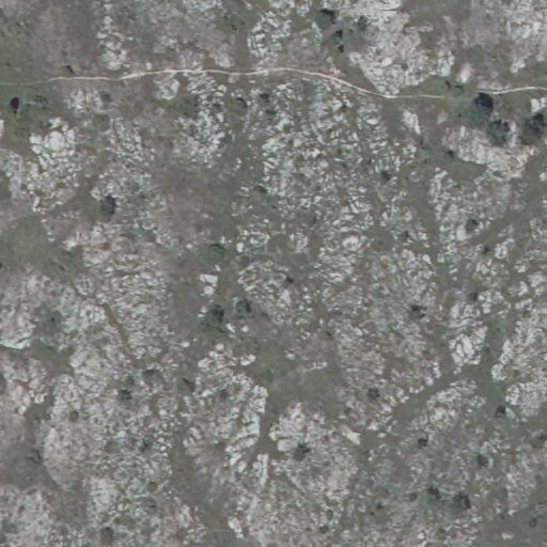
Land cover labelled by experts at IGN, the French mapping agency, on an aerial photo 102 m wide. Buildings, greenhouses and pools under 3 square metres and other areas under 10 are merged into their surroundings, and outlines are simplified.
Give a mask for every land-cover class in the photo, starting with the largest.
<instances>
[{"label":"bare soil","instance_id":"1","mask_svg":"<svg viewBox=\"0 0 547 547\"><path fill-rule=\"evenodd\" d=\"M0 9H4L6 15L24 17V26L19 28L26 30V36H32V58H47L53 64L49 81L62 83L64 105L75 109V118L79 122L71 130L64 120L53 118L51 135H32L30 143L38 156L34 162L24 160L19 154L6 147H0V233L4 229H15L19 218H26L34 212L47 233V241H56L60 246L66 244V248L81 246L83 263L90 267L88 276L75 278V286H66L47 276H36L32 265L26 267V274H13L9 286L0 282V344L11 348H26L34 342H41L58 350H64L66 346L75 348V355L71 359L75 374L58 378L49 376L38 359H32L30 365L24 370H15L9 357L0 355V547H323L327 543L325 532L329 530V526L340 523L344 511L342 500L348 496V481L357 472L353 453L359 444V434L363 429H372L378 438L397 436L402 440V447H410L419 438H436L440 429L453 425V421L459 427H466L476 408L485 406V397H479L474 391L476 382L466 380L462 368L481 363V346L487 331L479 316L489 312L491 303L500 301L504 306V310L498 312L500 318H506V314L515 308L530 312V318L517 321L515 338L504 340L500 359L491 368V378L502 380L509 389L506 402L496 408V417L500 419L506 415L511 419V427L517 429L519 423L536 415L538 406L547 408V135L541 137L534 145H521L519 126H509L506 122L496 120V128L509 132V141L502 147H494L483 130L466 128L462 124V107H470L474 100L485 109H491L494 94H517L534 90V85L530 83L534 81V77L528 64L547 62V0H0ZM335 13L368 17L365 51H353L344 62L338 64L329 49L321 45L323 28L335 21ZM190 94L199 96L197 120L177 118L175 113L167 111L175 96L188 98ZM224 96L246 98L248 109L244 113L241 130H233V126L224 118ZM209 244H222L226 250L224 256H220L218 265H209L205 261ZM246 299L263 308L276 325H308L314 314L312 301H323L327 310L342 312V318H331L329 327L338 338L340 361L344 365H353L344 372L348 385L344 389L338 387V400L346 402L350 415L325 419L321 412L303 415L301 404H295L288 417H280V423H276L269 432V438L278 444L286 459H271L256 444L261 425L259 419L265 412L267 389L252 382L246 374L233 372V365L254 363V355L237 357L231 346L205 340L199 329V318H205L207 312H212L218 321L226 323V331H235V321H248V312L239 308V301ZM128 376L135 378L137 385L130 402L120 404L118 389H111L107 382L126 380ZM532 109L536 111L534 115L536 122L545 120L547 126V98L532 100ZM547 476V442L541 451L532 449L530 444H517V464H513V470L506 474L509 515H515L517 509L528 506L530 491L536 487L534 479Z\"/></svg>","mask_w":547,"mask_h":547},{"label":"herbaceous vegetation","instance_id":"2","mask_svg":"<svg viewBox=\"0 0 547 547\"><path fill-rule=\"evenodd\" d=\"M24 26V17L6 15L4 9H0V147H6L19 154L24 160L34 162L38 156L30 143L32 135H51L53 118L64 120L71 130L79 122L75 118V109L64 105L62 83L49 81L53 64L47 58H32V36H26V30L19 28ZM534 77V81L530 83L534 85V90L517 94H494L491 109L489 115L491 120H496L506 122L509 126H519L534 115L536 111L532 109V100L547 98V62L528 64ZM167 111L175 113L177 118L197 120L199 96L190 94L188 98L175 96ZM224 118L233 126V130H241L244 113L248 109L246 98L224 96ZM32 265L36 276H47L66 286H75V278L88 276L90 267L83 263L81 246L66 248V244L60 246L56 241H47V233L34 212L26 218H19L15 229H4L0 233V282L9 286L13 274H26V267ZM226 250L222 244H209L205 261L209 265H218L220 256H224ZM239 308L248 312V321H235V331H226V323L218 321L212 312H207L205 318H199V329L205 340L231 346L237 357L254 355V363L233 365V372L246 374L252 382L267 389L265 412L259 419L261 425L256 444L271 459H286L278 444L269 438V432L276 423H280V417H288L295 404H301L303 415L321 412L325 419L350 415L346 402L338 400V387L344 389L348 385L344 372L353 365H344L340 361L338 338L329 327L331 318H342V312L327 310L323 301H312L314 314L308 325H276L263 308L246 299L239 301ZM504 310V306L500 301L491 303L489 312L479 316L487 331L481 346V363L462 368L466 380L476 382L474 391L479 397H485V406L476 408L466 427H459L453 421V425L440 429L436 438H419L410 447H402V440L397 436L378 438L372 429H363L359 434V444L353 453L357 472L348 481V496L342 500L344 511L340 523L329 526V530L325 532L327 543L323 547H547V476L534 479L536 487L530 491L528 506L517 509L515 515H509L506 474L513 470V464H517V444H530L532 449L541 451L547 442V408L538 406L536 415L519 423L517 429L511 427V419L506 415L500 419L496 417V408L506 402L509 389L502 380L491 378V368L500 359L504 340L515 338L517 321L530 318V312L515 308L506 314V318H500L498 312ZM429 494L434 498H455L457 502H464L468 511H464L459 517L444 513L427 500ZM0 355L9 357L15 370H24L30 365L32 359H38L49 376L58 378L75 374L71 359L75 355V348L66 346L64 350H58L41 342H34L26 348H11L0 344ZM111 389H118L120 404L130 402L137 385L135 378L128 376L126 380L107 382Z\"/></svg>","mask_w":547,"mask_h":547},{"label":"brushwood","instance_id":"3","mask_svg":"<svg viewBox=\"0 0 547 547\"><path fill-rule=\"evenodd\" d=\"M368 17L335 13V21L323 28L321 45L329 49L338 64L344 62L353 51H365ZM491 109H485L474 100L470 107H462V124L466 128L483 130L494 147H502L509 141V132L496 128V120H491L489 115ZM547 135V126L545 120L536 122L534 115L519 126L521 145H534L541 137ZM427 500L444 513L459 517L464 511H468L464 502H457L455 498H434L429 494Z\"/></svg>","mask_w":547,"mask_h":547}]
</instances>
